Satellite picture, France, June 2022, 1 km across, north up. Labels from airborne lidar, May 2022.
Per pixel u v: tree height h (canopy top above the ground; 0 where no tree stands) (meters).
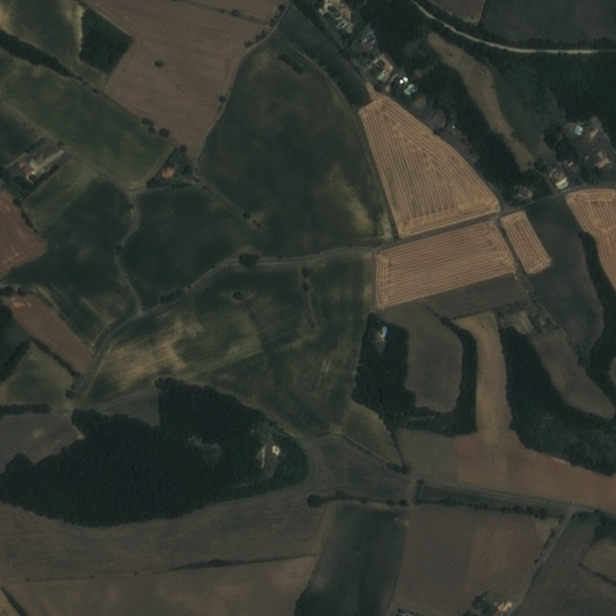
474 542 0
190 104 0
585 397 0
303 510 0
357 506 0
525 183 16
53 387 0
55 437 0
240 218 0
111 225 0
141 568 0
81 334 0
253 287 0
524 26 0
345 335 0
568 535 0
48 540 0
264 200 0
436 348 0
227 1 0
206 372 0
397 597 0
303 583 0
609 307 14
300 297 0
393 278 0
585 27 0
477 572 0
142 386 0
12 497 18
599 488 0
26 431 0
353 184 0
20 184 12
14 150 0
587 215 0
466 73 0
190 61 0
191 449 13
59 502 19
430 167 0
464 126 14
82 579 0
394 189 0
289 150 0
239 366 0
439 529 0
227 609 0
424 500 6
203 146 0
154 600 0
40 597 0
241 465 16
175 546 0
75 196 0
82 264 0
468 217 0
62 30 0
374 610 0
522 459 0
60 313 0
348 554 0
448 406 0
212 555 0
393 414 8
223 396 19
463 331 12
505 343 13
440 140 0
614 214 0
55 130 0
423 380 0
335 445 0
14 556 0
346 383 0
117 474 20
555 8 0
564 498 0
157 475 21
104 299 0
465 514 0
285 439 11
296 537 0
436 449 0
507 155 24
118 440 17
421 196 0
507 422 0
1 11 0
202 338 0
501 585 0
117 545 0
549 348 0
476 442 0
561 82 8
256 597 0
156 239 0
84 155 0
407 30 14
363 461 0
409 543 0
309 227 0
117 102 0
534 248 0
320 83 0
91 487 17
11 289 16
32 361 0
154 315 0
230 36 0
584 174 11
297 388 0
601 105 17
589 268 9
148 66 0
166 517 14
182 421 17
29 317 0
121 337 0
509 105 0
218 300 0
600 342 15
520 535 0
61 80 0
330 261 0
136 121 0
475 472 0
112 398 0
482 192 0
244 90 0
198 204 0
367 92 0
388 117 0
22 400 0
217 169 0
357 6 12
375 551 0
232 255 0
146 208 0
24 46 15
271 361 0
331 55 0
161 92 0
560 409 13
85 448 18
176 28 0
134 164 0
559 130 9
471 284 0
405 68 11
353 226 0
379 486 0
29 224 10
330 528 0
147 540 0
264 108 0
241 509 0
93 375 0
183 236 0
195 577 0
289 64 11
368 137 0
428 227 0
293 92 0
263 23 0
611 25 0
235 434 15
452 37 10
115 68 0
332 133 0
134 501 20
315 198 0
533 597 0
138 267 0
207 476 9
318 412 0
